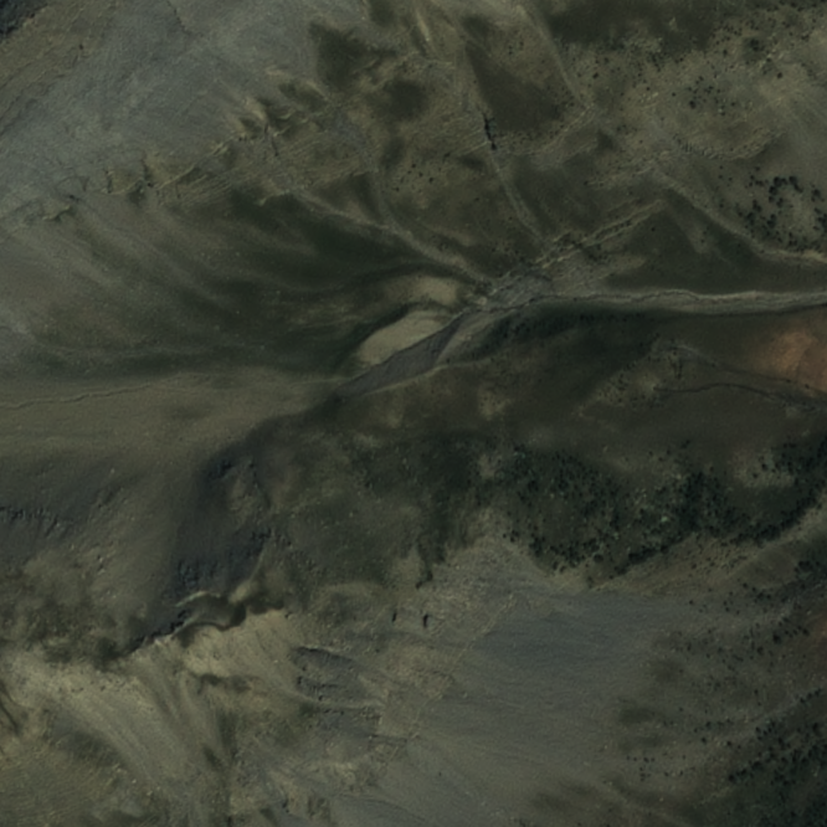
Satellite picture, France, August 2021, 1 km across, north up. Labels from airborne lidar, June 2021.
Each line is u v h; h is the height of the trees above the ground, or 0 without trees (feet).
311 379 0
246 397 0
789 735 0
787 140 0
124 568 0
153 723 0
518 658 0
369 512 0
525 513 0
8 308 0
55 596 0
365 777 0
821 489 32
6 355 0
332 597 0
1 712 0
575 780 0
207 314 0
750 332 0
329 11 0
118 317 0
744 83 0
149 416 0
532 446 0
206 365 0
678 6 0
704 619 0
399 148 0
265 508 0
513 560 0
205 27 0
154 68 0
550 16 0
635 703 0
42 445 0
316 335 0
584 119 0
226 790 0
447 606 0
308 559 0
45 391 0
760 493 0
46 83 0
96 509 0
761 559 0
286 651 0
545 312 0
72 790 0
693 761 0
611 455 0
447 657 0
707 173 0
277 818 0
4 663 0
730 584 0
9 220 0
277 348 0
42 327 0
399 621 0
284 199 0
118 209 0
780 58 0
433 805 0
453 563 0
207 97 0
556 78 0
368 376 0
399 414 0
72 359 0
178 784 0
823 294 0
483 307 0
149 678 0
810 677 0
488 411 0
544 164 0
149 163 0
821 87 0
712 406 0
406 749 0
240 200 0
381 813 0
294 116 0
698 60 0
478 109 0
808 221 0
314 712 0
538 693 0
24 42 0
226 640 0
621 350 0
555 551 31
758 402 0
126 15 0
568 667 0
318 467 0
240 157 0
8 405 0
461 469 0
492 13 0
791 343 0
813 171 0
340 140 0
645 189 0
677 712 0
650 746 0
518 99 0
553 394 0
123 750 0
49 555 0
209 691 0
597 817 0
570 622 0
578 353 0
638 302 0
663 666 0
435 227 0
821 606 0
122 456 0
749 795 0
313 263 0
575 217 0
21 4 0
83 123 0
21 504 0
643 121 0
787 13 0
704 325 0
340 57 0
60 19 0
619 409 0
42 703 0
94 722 0
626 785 0
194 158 0
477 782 0
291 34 0
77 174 0
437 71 0
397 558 0
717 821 0
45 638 0
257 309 0
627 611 0
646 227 0
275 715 0
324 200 0
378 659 0
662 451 0
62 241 0
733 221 0
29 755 0
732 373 0
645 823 0
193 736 0
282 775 0
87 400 0
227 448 0
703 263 0
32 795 0
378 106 0
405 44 0
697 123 0
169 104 0
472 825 0
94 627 0
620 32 0
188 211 0
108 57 0
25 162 0
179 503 0
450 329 0
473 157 0
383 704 0
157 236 0
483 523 0
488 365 0
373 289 0
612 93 0
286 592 0
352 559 0
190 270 0
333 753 0
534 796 0
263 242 0
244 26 0
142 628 0
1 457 0
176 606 0
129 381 0
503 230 0
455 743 0
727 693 0
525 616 0
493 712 0
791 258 0
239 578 0
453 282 0
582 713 0
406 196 0
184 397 0
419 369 0
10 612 0
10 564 0
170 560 0
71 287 0
